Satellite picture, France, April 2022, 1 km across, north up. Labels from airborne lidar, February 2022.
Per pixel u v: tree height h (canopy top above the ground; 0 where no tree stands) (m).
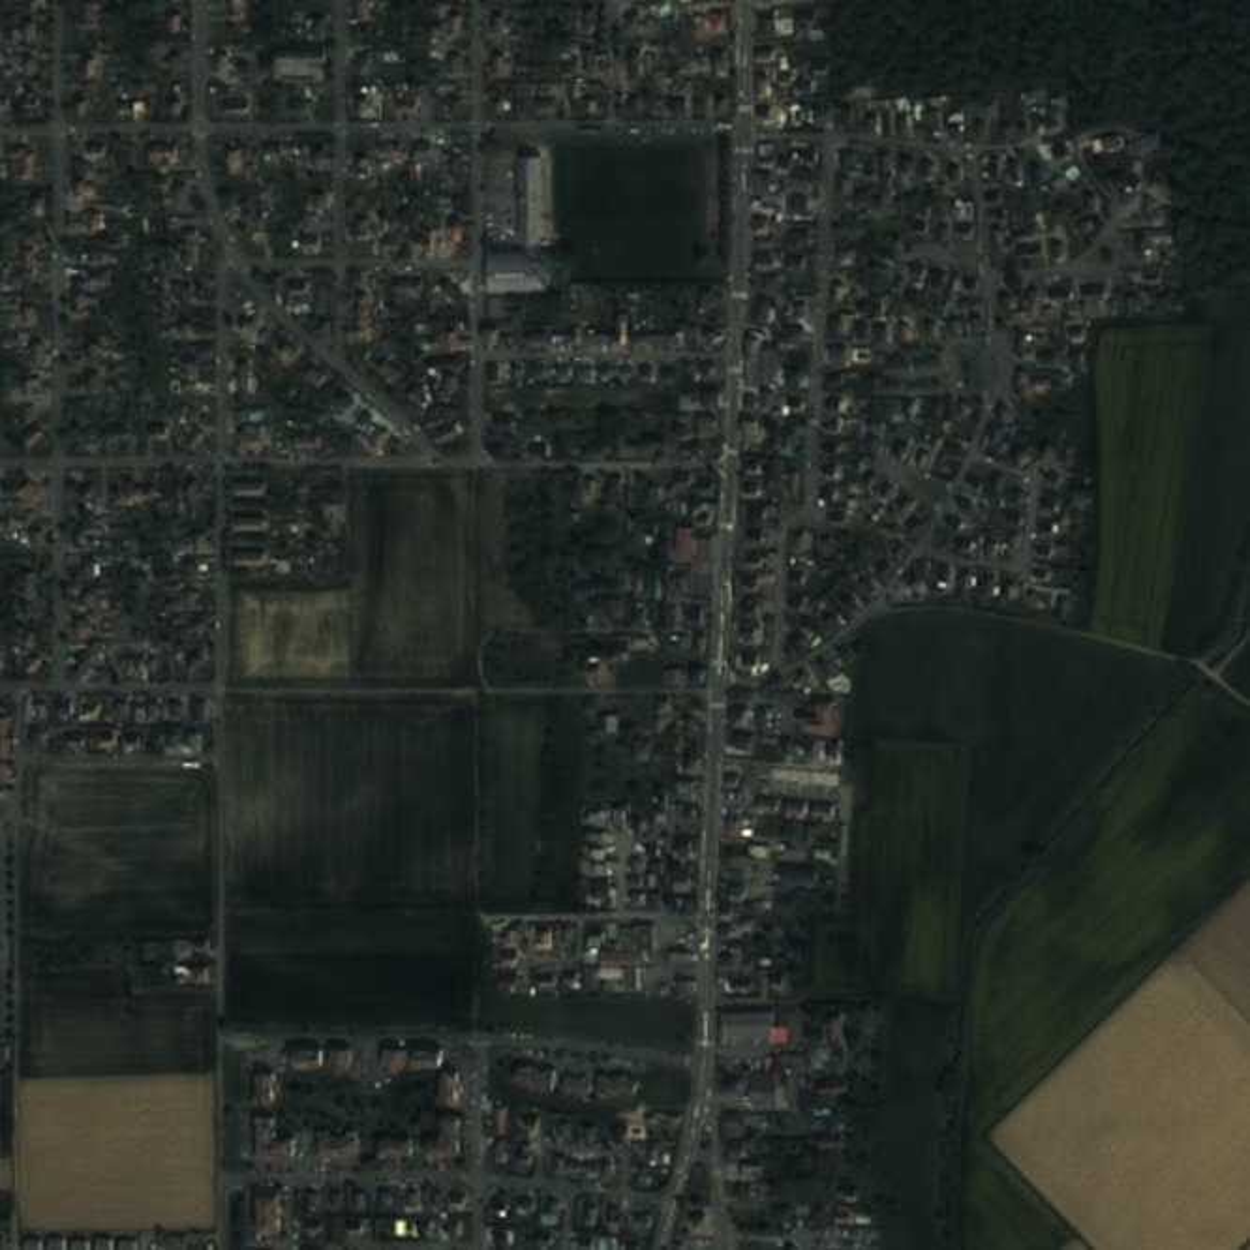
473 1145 0
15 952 0
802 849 0
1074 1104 0
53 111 9
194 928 0
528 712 0
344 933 0
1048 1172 0
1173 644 0
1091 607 0
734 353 0
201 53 0
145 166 0
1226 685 0
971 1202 0
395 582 0
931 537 0
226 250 0
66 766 0
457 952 0
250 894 0
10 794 0
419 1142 0
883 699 0
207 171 0
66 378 0
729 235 13
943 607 0
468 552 0
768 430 11
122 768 0
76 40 0
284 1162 0
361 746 0
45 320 0
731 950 0
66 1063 0
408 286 0
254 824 0
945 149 0
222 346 0
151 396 0
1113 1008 0
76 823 0
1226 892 0
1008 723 0
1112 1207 0
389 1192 0
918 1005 0
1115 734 0
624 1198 0
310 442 0
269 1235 0
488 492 0
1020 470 0
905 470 0
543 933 9
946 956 0
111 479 0
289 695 0
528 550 6
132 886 0
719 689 0
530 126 0
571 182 0
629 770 0
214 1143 0
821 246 0
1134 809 0
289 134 0
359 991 0
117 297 0
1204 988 0
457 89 0
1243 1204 0
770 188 0
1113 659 0
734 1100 0
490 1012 0
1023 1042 0
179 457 7
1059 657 0
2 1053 0
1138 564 0
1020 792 0
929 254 0
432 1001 0
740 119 0
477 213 0
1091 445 0
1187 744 0
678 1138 0
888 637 0
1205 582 0
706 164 0
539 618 6
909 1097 0
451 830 0
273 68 7
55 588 9
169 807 0
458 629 0
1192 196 17
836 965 0
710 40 0
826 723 0
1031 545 0
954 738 0
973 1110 0
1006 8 19
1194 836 0
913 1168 0
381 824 0
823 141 0
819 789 0
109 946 0
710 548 0
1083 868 0
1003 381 0
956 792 0
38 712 0
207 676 0
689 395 0
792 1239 0
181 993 0
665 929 0
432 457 0
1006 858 0
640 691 0
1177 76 16
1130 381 0
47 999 0
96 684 0
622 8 0
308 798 0
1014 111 0
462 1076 0
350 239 0
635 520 7
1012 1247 0
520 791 0
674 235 0
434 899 0
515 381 0
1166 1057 0
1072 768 0
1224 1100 0
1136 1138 0
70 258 0
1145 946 0
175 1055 0
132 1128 0
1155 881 0
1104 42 20
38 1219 0
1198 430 0
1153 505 0
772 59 0
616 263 0
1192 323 0
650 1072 0
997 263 0
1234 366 0
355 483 0
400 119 0
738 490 0
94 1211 0
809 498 0
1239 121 23
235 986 0
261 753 0
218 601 0
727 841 0
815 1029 8
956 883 0
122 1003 0
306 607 0
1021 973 0
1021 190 0
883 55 19
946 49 18
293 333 0
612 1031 0
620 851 0
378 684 0
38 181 0
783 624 0
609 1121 0
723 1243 0
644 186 0
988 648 0
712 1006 0
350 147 0
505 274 0
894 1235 0
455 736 0
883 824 0
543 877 7
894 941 0
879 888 0
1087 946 0
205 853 0
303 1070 0
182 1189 0
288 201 0
